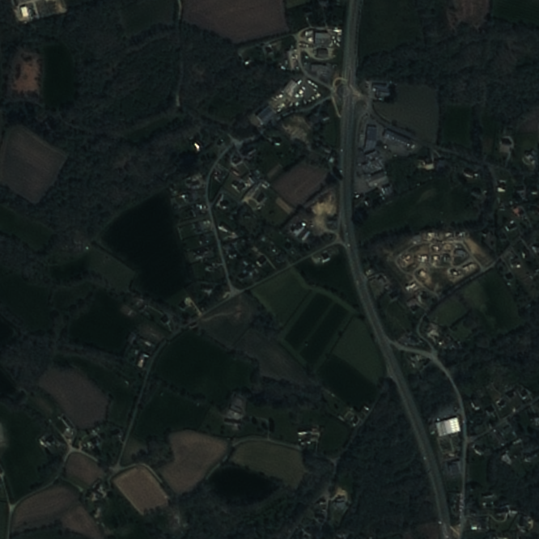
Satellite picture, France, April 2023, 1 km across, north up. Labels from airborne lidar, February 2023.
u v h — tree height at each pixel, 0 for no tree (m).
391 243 13
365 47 0
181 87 10
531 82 25
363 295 0
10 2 8
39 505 0
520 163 0
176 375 0
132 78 6
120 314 0
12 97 15
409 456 11
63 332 8
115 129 17
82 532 0
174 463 0
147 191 14
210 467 0
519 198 14
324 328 0
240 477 0
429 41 15
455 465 0
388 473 12
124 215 0
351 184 0
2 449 0
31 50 14
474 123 15
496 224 9
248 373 0
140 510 0
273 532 8
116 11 25
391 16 0
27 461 0
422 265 0
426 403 8
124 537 0
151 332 0
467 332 0
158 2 0
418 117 0
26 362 13
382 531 8
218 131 17
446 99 25
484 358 15
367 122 0
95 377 0
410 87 15
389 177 9
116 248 0
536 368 14
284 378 0
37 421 15
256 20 0
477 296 0
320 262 0
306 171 0
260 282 0
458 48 6
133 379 8
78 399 0
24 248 13
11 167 0
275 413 0
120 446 12
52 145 8
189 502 17
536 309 13
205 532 10
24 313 0
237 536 10
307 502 12
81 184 16
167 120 0
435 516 7
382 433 10
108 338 0
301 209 8
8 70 13
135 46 14
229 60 10
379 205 12
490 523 0
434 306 7
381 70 10
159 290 0
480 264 0
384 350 0
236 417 0
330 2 8
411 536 0
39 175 0
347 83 0
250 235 9
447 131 0
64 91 0
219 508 9
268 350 0
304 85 0
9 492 8
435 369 7
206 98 7
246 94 9
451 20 5
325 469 17
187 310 0
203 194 0
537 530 0
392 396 9
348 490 0
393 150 0
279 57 10
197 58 14
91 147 24
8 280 0
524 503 10
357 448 9
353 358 0
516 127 7
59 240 18
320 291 0
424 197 0
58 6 0
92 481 0
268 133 12
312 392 20
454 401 10
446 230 13
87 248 0
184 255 0
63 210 15
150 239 0
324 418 7
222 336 0
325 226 0
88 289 0
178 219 7
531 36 15
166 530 0
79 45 7
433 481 0
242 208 8
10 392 0
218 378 0
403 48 14
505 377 14
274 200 0
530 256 0
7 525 0
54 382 0
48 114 7
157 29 13
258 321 13
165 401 0
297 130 0
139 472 0
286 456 0
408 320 0
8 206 12
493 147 0
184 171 15
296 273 0
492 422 8
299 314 0
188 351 0
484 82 8
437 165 0
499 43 11
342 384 0
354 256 0
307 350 0
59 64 0
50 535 0
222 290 12
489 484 7
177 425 0
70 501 0
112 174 14
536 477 9
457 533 0
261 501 12
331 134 0
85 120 11
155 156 13
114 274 0
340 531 7
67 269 0
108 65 8
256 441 0
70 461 0
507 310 0
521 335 10
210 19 0
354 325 0
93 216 15
